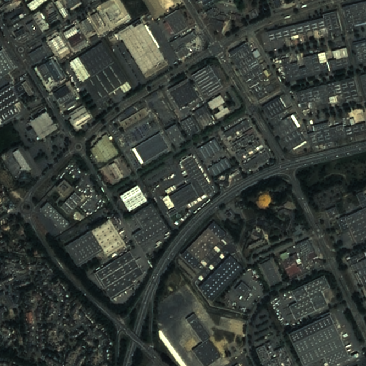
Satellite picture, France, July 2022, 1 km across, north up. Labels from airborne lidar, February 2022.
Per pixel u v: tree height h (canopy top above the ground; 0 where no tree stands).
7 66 0
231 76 0
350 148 0
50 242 14
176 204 0
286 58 0
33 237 13
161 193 0
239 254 0
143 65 0
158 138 0
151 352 0
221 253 0
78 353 0
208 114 0
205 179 0
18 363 10
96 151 0
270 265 0
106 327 10
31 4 0
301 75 0
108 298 11
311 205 7
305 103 0
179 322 0
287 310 0
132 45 0
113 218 0
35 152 0
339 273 0
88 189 0
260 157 0
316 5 0
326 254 0
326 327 0
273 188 12
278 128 0
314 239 0
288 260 0
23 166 0
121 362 8
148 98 0
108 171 0
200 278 0
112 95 0
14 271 0
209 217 0
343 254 12
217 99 0
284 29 0
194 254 0
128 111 0
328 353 0
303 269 0
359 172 0
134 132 0
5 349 8
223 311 0
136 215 0
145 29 0
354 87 0
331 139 0
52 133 0
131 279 0
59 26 0
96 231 0
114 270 0
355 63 0
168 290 0
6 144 0
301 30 0
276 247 8
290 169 0
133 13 0
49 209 0
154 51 0
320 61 0
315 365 0
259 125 0
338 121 0
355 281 0
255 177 0
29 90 0
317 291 0
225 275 0
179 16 0
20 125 0
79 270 15
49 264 7
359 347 0
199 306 0
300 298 0
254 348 12
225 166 0
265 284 9
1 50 0
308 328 0
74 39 0
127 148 0
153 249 0
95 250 0
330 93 0
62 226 0
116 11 0
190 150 0
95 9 0
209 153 0
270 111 0
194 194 0
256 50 0
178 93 0
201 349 0
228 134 0
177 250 0
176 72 0
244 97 0
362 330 0
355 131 0
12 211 0
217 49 0
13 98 0
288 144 0
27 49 0
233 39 0
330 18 0
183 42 0
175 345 0
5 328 0
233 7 0
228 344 0
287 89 0
